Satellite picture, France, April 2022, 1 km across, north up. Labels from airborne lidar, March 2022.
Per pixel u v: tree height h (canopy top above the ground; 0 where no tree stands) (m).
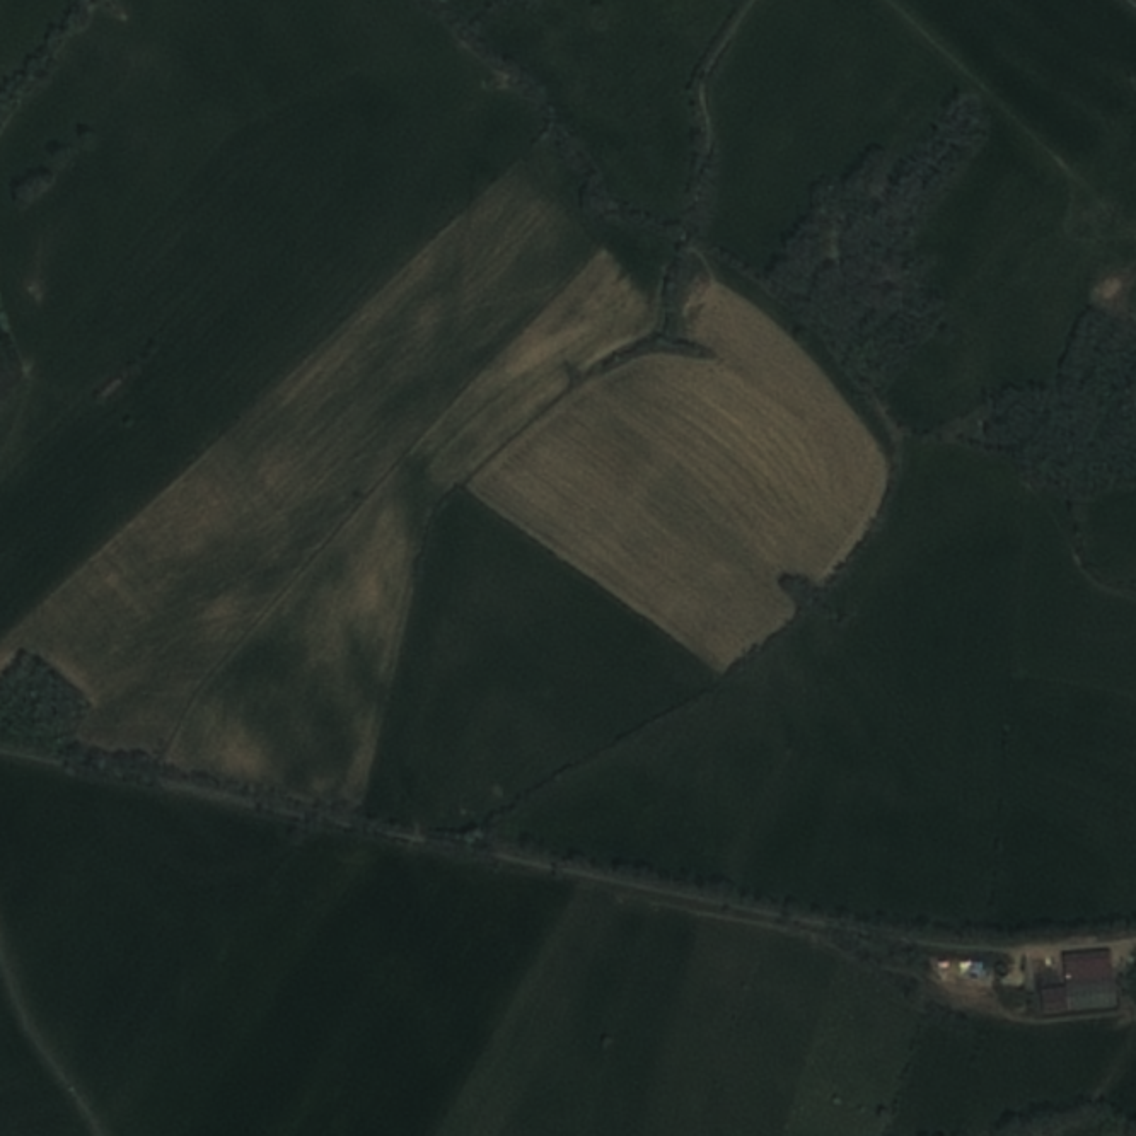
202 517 0
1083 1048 0
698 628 0
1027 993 0
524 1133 0
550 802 0
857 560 10
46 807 0
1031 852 0
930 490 0
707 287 0
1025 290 0
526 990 0
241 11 0
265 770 0
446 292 0
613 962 0
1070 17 0
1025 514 0
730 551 0
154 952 0
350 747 0
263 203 0
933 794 0
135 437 0
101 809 0
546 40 0
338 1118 0
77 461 0
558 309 0
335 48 0
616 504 0
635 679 0
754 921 0
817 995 0
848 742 0
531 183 0
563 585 0
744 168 0
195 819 0
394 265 0
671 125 0
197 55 0
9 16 0
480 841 8
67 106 0
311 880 0
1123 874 0
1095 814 0
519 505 0
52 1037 0
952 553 0
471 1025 0
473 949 0
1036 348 0
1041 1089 0
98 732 0
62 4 0
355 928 0
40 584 0
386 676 0
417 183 0
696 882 17
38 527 0
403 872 0
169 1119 0
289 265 0
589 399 0
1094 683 0
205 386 0
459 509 0
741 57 0
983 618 0
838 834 0
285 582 0
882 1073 0
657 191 0
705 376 0
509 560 0
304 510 0
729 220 0
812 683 0
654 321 0
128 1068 0
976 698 0
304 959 0
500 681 0
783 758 0
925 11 0
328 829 10
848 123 0
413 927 0
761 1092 0
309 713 0
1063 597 0
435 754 0
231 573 0
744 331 0
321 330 0
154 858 0
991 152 0
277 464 0
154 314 0
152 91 0
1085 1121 21
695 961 0
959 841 0
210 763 0
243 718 0
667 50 0
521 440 0
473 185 0
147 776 14
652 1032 0
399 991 0
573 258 0
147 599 0
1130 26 0
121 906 0
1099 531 0
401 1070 0
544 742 0
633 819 0
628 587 0
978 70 0
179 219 0
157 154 0
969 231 0
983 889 0
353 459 0
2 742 18
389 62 0
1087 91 0
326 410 0
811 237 12
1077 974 0
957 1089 0
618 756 0
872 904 0
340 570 0
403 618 0
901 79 0
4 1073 0
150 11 0
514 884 0
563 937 0
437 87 0
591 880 0
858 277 19
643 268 0
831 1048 0
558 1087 0
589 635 0
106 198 0
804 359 0
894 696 0
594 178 14
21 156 0
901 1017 0
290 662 0
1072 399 19
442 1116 0
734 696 0
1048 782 0
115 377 0
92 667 0
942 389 0
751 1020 0
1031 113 0
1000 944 17
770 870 0
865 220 16
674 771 0
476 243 0
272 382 0
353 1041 0
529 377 0
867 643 0
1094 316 13
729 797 0
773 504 0
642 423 0
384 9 0
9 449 0
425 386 0
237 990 0
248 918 0
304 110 0
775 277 16
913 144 0
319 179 0
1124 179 0
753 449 0
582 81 0
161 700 0
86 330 0
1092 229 0
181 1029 0
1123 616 0
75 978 0
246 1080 0
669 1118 0
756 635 0
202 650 0
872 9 0
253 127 0
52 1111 0
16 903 0
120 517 0
